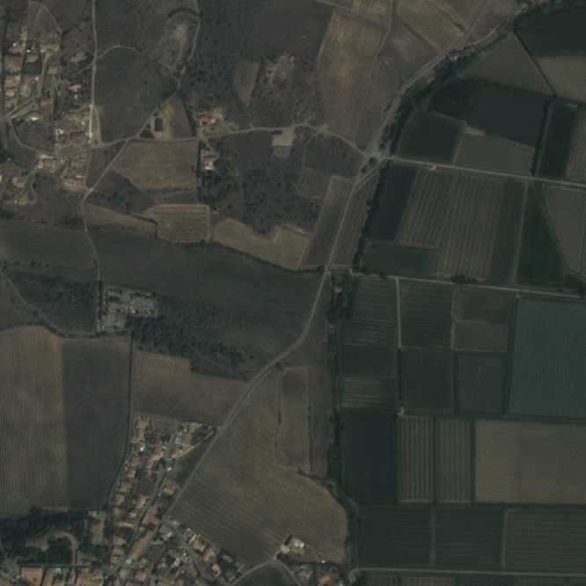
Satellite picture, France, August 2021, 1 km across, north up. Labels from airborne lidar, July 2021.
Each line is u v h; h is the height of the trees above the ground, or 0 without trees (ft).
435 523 0
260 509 0
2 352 0
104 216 0
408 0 0
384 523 0
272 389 0
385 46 0
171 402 0
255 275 0
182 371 0
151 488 0
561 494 0
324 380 0
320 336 0
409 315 0
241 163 0
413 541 0
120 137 0
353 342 0
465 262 0
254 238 0
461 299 0
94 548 50
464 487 0
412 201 0
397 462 0
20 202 0
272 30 0
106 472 0
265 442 0
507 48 0
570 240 0
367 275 55
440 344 0
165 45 0
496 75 0
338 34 0
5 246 0
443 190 0
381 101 0
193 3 0
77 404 0
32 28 0
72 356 0
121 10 0
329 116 0
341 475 68
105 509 36
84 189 0
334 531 0
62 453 0
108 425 0
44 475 0
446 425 0
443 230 0
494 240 0
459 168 0
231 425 0
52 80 0
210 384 0
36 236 0
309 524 0
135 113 0
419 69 0
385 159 0
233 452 0
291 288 0
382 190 54
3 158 22
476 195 0
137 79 0
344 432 73
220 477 0
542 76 0
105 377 0
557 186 0
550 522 0
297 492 0
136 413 0
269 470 0
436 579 0
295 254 0
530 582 0
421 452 0
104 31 0
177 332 23
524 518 0
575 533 0
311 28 0
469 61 34
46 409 0
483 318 0
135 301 0
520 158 0
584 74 0
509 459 0
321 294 0
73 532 38
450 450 0
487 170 0
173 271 0
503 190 0
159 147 0
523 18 63
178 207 0
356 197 0
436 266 0
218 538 0
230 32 0
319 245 0
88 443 0
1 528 66
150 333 46
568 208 0
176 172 0
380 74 0
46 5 0
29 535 37
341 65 0
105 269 0
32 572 0
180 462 0
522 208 0
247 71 0
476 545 0
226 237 0
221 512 0
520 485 0
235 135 0
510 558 0
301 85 0
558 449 0
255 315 0
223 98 19
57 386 0
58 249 0
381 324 0
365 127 0
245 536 0
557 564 0
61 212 0
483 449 0
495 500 0
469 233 0
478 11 0
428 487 0
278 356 0
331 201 0
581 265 0
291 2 0
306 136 0
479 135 0
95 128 0
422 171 0
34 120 0
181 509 0
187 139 0
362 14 0
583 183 0
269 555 0
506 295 0
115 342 0
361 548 0
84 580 0
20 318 0
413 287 0
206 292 0
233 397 0
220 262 0
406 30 0
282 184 29
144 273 0
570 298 0
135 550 0
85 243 0
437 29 0
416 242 0
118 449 0
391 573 0
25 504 0
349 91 0
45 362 0
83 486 0
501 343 0
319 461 0
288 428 0
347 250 0
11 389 0
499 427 0
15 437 0
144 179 0
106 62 0
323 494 0
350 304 25
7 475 0
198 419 0
